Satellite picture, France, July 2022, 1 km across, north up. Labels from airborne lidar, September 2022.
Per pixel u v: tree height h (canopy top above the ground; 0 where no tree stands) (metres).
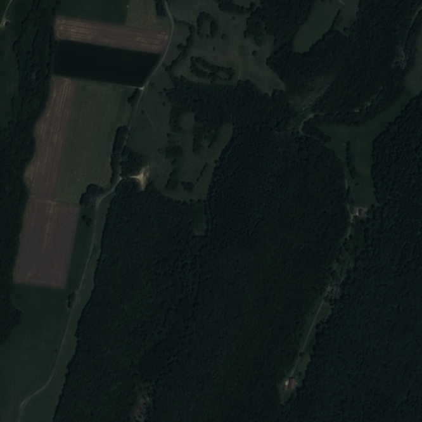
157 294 16
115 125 0
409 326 17
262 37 9
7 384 0
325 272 17
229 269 13
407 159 25
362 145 0
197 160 0
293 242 18
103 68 0
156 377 9
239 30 0
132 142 0
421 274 14
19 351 0
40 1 15
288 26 17
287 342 21
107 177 0
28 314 0
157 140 0
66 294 0
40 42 21
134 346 13
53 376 0
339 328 21
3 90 0
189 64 0
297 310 18
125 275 18
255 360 20
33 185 0
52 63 6
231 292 11
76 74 0
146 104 0
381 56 18
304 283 20
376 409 18
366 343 18
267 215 12
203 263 17
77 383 12
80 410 13
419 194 11
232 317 12
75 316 0
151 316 13
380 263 14
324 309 0
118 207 14
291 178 15
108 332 16
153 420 17
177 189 9
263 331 18
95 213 0
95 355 15
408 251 14
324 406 15
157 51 0
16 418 0
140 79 0
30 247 0
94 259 0
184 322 9
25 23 14
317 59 14
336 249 21
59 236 0
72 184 0
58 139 0
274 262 18
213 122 12
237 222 21
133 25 0
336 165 22
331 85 10
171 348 14
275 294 15
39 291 0
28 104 12
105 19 0
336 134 0
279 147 17
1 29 0
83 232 0
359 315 16
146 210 15
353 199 23
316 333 0
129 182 7
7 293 18
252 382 17
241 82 12
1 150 13
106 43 0
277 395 21
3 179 14
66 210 0
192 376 12
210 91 6
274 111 22
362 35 24
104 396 14
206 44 0
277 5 25
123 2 0
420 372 11
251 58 0
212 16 13
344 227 21
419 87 0
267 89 0
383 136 17
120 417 17
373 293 15
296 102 9
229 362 16
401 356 15
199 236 12
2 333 18
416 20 9
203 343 15
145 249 15
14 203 11
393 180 15
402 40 24
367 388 19
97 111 0
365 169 0
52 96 0
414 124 24
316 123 17
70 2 0
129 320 15
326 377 16
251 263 13
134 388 21
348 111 17
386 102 24
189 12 0
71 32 0
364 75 18
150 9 0
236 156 24
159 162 0
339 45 14
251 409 20
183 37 0
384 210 26
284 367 7
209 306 17
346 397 13
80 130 0
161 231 16
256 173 18
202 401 8
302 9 23
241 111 13
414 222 13
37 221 0
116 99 0
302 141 21
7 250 20
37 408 0
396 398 15
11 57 0
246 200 22
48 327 0
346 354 16
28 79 21
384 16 17
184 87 11
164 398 16
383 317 17
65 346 0
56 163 0
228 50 0
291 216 26
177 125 8
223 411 20
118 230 15
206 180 0
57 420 15
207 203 14
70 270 0
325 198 15
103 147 0
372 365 19
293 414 25
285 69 19
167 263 24
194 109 12
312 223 18
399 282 15
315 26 0
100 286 17
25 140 10
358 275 16
